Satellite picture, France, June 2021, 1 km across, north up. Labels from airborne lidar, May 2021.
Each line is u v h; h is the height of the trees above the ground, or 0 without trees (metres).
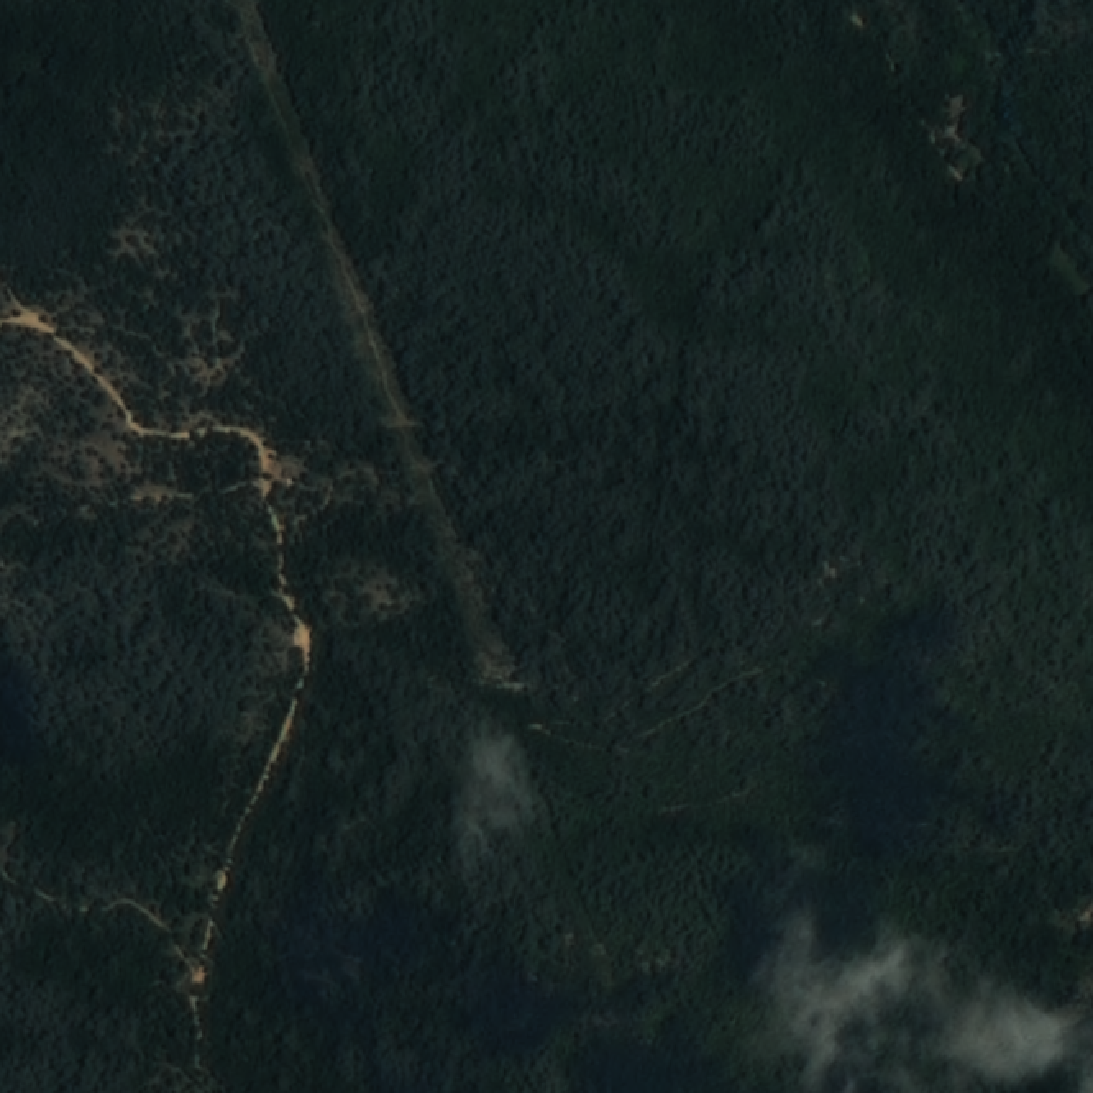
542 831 19
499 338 14
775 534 20
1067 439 15
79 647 18
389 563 6
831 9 18
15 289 8
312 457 11
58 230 12
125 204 9
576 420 17
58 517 8
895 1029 9
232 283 19
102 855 12
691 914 7
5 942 11
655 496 9
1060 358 19
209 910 10
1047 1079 16
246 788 8
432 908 16
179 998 8
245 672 18
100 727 14
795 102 13
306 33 13
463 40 10
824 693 12
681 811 7
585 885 12
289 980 7
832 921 10
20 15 12
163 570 9
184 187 17
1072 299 12
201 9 8
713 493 17
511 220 18
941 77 8
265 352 10
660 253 13
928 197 25
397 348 18
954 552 9
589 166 22
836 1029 17
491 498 19
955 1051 17
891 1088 17
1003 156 20
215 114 7
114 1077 19
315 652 6
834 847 18
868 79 20
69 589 21
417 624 7
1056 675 13
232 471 15
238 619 17
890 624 11
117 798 10
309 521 8
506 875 15
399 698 16
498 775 21
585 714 8
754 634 20
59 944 14
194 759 9
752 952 7
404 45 21
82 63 14
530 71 7
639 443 19
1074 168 7
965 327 11
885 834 8
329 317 18
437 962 11
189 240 16
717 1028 8
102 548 13
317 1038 17
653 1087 6
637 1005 7
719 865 19
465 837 16
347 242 9
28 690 18
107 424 7
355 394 20
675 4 15
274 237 18
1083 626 11
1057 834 10
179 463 8
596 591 16
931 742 8
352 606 7
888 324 11
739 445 19
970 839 7
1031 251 15
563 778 9
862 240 16
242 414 9
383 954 16
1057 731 8
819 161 11
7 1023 21
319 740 8
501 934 16
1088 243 21
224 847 9
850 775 8
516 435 12
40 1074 20
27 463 7
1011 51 19
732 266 12
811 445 20
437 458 17
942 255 23
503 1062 17
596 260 23
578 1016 6
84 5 14
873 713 8
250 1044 12
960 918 11
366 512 10
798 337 11
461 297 19
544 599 13
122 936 10
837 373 13
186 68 15
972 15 9
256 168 20
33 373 6
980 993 16
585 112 17
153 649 17
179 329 9
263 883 9
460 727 18
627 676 7
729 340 13
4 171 10
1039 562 7
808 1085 8
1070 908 17
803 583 18
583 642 7
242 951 13
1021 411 16
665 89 9
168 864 9
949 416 13
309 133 11
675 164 12
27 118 12
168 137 6
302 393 17
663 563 14
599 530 17
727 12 18
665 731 7
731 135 19
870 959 13
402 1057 19
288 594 10
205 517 6
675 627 17
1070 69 17
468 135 21
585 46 14
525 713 7
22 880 7
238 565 13
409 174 21
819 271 14
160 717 17
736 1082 19
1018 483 14
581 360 21
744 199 18
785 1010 10
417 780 9
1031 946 11
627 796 19
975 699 6
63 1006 14
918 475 14
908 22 16
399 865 11
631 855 23
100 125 9
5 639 16
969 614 20
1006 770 9
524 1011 20
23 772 12
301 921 8
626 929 8
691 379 17
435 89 20
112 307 11
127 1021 18
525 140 22
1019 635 15
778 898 8
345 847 12
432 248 21
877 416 17
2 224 16
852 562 7
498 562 15
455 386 19
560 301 17
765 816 11
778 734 8
